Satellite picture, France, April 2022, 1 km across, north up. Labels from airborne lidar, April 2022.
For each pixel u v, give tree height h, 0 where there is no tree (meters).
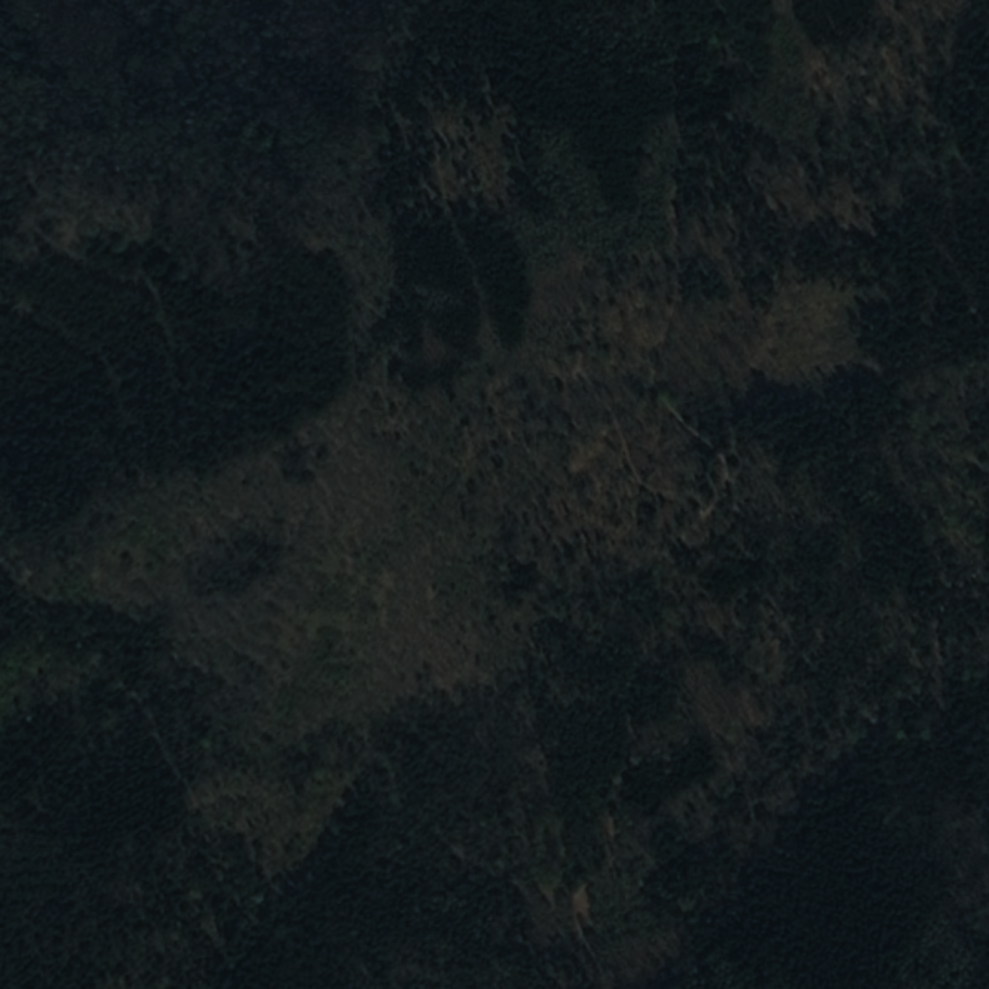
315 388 12
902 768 26
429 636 15
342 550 11
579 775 26
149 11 24
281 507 14
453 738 17
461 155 12
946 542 26
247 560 19
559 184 28
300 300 18
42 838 19
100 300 24
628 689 30
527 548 20
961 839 30
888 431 21
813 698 18
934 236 25
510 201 15
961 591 22
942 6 19
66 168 10
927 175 26
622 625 29
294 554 14
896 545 29
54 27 26
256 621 18
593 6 24
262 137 20
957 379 26
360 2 18
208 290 24
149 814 26
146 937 18
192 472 18
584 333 24
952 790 27
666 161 14
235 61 24
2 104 12
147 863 17
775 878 28
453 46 29
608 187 26
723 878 21
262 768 23
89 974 21
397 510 12
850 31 16
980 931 22
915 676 15
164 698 17
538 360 19
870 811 30
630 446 11
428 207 28
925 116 18
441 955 16
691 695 24
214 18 23
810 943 29
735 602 15
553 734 19
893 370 25
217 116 16
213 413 21
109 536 14
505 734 15
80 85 26
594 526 10
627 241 15
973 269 22
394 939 14
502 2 24
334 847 25
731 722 23
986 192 18
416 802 20
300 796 16
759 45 23
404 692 18
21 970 20
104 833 24
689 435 15
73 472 16
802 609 21
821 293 0
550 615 12
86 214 11
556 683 7
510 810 19
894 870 28
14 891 20
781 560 22
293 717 14
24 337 22
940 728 25
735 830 16
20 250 7
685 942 25
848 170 18
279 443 11
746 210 30
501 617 21
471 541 19
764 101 15
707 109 11
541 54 26
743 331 17
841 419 29
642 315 28
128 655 22
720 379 19
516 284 20
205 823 23
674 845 29
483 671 14
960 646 27
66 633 28
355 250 15
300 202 14
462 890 22
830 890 26
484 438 7
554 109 29
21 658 16
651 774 18
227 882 30
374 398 12
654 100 23
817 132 14
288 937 26
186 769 15
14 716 16
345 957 21
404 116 29
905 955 26
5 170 20
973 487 23
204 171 18
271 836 14
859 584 22
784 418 29
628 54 27
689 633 32
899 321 22
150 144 22
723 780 24
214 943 27
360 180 26
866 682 12
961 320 26
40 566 17
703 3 29
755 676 16
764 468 20
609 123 22
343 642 7
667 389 23
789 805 29
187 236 17
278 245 15
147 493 11
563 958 27
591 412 15
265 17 15
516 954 19
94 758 21
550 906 16
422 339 22
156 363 27
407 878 22
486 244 17
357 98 20
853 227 9
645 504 10
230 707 11
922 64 20
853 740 24
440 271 19
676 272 23
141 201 19
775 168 29
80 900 17
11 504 18
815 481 25
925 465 21
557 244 18
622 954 17
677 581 11
